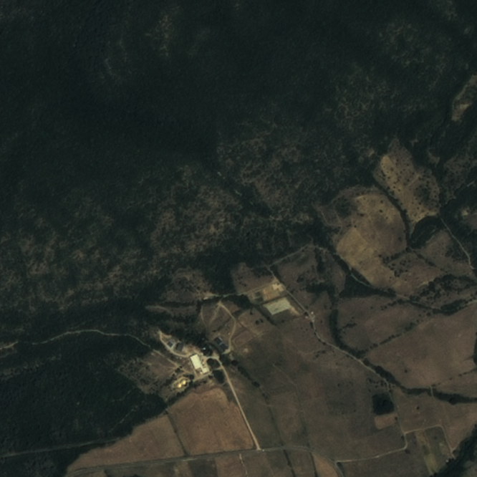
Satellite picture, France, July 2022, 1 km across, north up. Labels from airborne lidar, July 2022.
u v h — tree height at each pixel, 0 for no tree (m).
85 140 7
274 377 0
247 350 0
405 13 6
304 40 5
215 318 0
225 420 0
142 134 11
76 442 10
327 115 6
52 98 9
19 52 9
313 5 6
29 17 6
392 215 0
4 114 8
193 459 0
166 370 0
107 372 6
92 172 7
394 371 0
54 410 8
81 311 7
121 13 6
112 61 6
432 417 0
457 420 0
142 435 0
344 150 6
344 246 0
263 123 6
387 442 0
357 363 0
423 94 6
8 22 6
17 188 6
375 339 0
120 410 6
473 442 11
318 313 0
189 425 0
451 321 0
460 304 6
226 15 8
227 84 6
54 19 9
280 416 0
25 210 6
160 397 8
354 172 7
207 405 0
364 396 0
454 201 6
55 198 6
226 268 8
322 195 6
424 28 6
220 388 0
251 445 0
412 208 0
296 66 8
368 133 7
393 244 0
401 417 0
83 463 0
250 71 9
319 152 6
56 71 13
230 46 7
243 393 0
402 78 6
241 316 0
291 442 0
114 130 9
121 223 6
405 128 8
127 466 0
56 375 10
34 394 8
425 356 0
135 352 7
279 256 6
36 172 6
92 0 10
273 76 6
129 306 11
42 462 9
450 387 0
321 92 6
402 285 0
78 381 8
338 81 6
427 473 0
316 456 0
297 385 0
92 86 9
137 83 8
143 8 7
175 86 6
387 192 6
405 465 0
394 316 0
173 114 8
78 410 10
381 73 6
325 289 6
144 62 7
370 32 6
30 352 6
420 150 6
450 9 6
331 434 0
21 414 11
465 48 8
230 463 0
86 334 6
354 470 0
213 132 7
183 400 0
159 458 0
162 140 9
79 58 12
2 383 7
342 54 8
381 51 6
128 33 6
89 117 11
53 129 6
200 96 6
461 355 0
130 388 8
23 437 6
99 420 6
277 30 7
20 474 7
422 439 0
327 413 0
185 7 7
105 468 0
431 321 0
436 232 7
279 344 0
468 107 6
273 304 0
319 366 0
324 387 0
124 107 13
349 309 0
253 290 0
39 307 6
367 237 0
